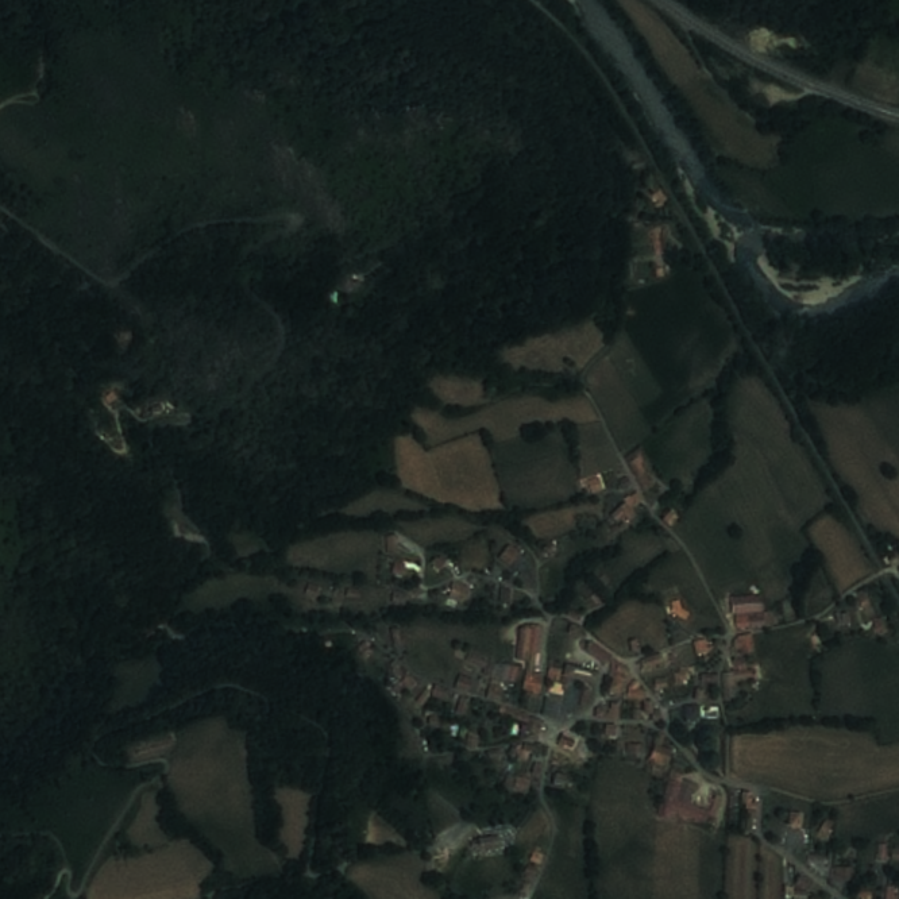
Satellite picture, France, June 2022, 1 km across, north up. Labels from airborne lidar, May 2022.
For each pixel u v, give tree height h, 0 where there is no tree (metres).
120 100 0
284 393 10
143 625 26
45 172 0
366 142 0
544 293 32
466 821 13
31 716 21
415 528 0
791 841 0
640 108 21
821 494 0
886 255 15
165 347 7
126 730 14
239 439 12
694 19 0
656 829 0
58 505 19
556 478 0
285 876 13
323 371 14
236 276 15
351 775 21
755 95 0
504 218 35
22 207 6
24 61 8
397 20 22
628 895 0
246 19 11
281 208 8
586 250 26
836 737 0
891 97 0
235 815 0
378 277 16
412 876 0
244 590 0
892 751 0
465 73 8
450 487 0
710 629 9
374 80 13
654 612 0
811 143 0
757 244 0
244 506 6
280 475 14
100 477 18
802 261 21
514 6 13
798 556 0
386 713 19
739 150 0
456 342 9
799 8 14
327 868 12
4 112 0
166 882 0
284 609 17
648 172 7
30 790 14
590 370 0
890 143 0
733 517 0
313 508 21
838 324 23
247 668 21
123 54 0
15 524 8
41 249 12
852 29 20
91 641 22
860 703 0
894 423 0
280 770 18
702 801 0
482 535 8
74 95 0
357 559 0
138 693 0
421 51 18
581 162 21
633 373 0
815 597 0
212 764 0
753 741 0
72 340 25
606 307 20
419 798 8
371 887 0
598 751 12
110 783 0
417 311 15
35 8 9
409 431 16
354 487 18
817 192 0
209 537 17
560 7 21
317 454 17
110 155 0
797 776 0
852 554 0
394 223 10
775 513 0
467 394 0
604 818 0
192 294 15
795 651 0
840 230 21
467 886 0
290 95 7
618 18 15
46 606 20
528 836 0
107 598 18
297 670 15
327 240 12
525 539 6
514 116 12
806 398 15
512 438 0
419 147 0
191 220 10
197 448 13
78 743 12
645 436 0
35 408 15
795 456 0
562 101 16
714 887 0
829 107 12
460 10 19
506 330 18
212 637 24
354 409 20
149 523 14
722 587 0
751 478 0
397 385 20
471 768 18
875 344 25
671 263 18
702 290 0
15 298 17
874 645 0
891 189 0
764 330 18
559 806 0
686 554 0
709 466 8
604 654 0
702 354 0
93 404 18
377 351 11
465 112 8
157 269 16
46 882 8
